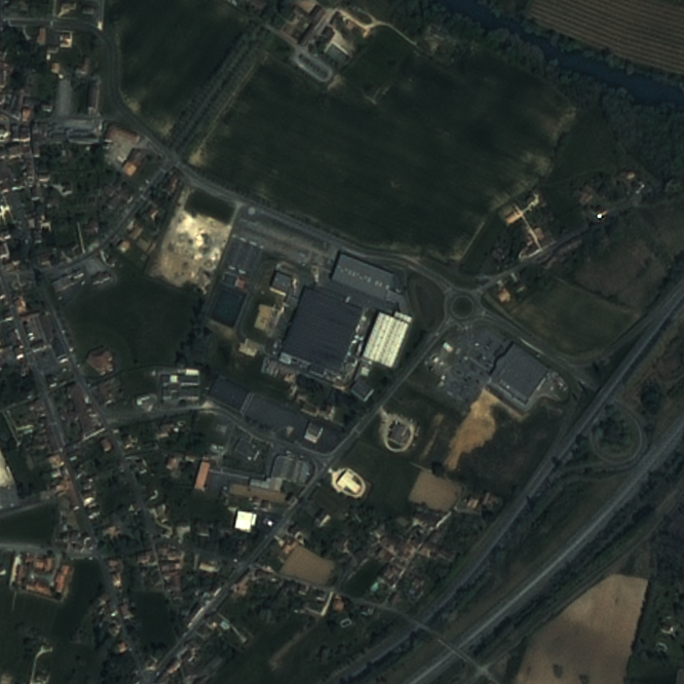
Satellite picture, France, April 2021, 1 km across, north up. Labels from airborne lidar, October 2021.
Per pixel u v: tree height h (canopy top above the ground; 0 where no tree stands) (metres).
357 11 0
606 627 0
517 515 0
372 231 0
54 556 9
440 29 14
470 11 0
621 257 0
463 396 0
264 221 0
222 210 0
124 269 0
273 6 9
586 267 0
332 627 15
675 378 0
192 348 13
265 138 0
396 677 0
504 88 0
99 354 0
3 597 0
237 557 9
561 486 13
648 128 15
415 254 0
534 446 0
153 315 0
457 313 0
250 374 0
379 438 0
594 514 0
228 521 0
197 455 16
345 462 0
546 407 0
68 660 0
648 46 6
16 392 9
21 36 11
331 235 11
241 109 0
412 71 0
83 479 7
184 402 7
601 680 0
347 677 0
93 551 0
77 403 0
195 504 0
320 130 0
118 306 0
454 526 6
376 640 17
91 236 7
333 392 0
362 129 0
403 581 6
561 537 0
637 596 0
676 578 12
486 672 0
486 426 0
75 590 0
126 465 0
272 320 0
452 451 0
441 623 10
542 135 0
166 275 0
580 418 0
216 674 15
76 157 15
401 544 0
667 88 0
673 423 0
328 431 0
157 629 0
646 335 0
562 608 0
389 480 0
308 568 0
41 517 0
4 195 0
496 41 26
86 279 0
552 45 14
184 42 0
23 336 0
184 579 8
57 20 0
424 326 0
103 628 9
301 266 0
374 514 8
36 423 7
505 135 0
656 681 0
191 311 0
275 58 0
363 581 0
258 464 0
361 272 0
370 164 0
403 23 0
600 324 0
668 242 0
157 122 0
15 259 22
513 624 10
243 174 0
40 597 0
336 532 10
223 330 0
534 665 0
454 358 0
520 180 0
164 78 0
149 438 6
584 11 6
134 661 8
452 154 0
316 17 0
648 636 0
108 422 0
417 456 0
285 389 0
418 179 0
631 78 0
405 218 0
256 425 12
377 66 0
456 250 0
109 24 0
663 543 11
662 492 0
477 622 0
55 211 13
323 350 0
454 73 0
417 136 0
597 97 20
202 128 12
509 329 0
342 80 0
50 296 0
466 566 0
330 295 0
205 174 10
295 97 0
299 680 0
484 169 0
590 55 7
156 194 9
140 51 0
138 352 0
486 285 0
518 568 0
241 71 13
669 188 17
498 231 0
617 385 0
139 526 8
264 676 0
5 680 0
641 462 0
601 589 0
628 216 6
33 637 7
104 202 11
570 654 0
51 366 0
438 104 0
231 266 0
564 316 0
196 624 0
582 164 0
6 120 0
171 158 0
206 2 0
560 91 7
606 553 7
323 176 0
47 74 0
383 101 0
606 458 0
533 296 0
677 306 0
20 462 0
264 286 0
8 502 0
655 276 0
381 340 0
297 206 0
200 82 0
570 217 0
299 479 0
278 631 0
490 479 0
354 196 0
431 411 0
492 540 0
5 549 0
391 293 0
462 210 0
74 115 0
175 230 0
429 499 0
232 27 0
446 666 0
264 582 8
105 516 6
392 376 19
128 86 0
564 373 0
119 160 0
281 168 0
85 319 0
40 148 8
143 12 0
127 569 7
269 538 0
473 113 0
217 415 0
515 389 0
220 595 0
